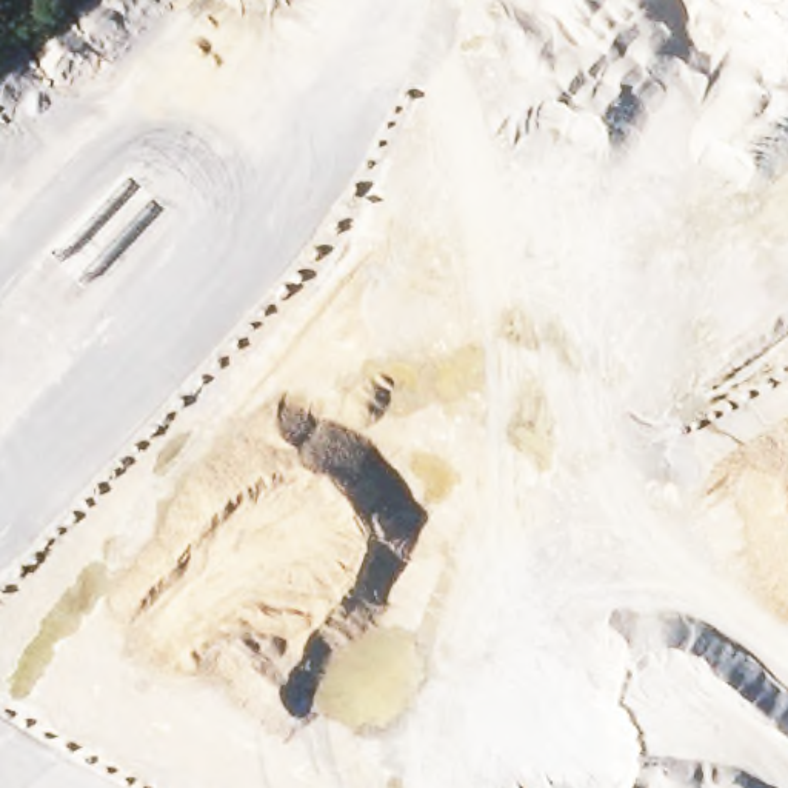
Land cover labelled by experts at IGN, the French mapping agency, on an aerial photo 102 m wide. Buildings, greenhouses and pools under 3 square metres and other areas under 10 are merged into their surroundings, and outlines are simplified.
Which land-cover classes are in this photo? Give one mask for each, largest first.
<instances>
[{"label":"pervious surface","instance_id":"1","mask_svg":"<svg viewBox=\"0 0 788 788\"><path fill-rule=\"evenodd\" d=\"M55 763L62 766L65 779H95L99 788H788V0H99L77 25H71L65 34L46 43L40 62H34L28 74H6L0 80V788H31Z\"/></svg>","mask_w":788,"mask_h":788},{"label":"brushwood","instance_id":"2","mask_svg":"<svg viewBox=\"0 0 788 788\"><path fill-rule=\"evenodd\" d=\"M99 0H0V80L6 74H28L34 62H40L46 43L65 34L71 25H77Z\"/></svg>","mask_w":788,"mask_h":788},{"label":"impervious surface","instance_id":"3","mask_svg":"<svg viewBox=\"0 0 788 788\"><path fill-rule=\"evenodd\" d=\"M31 788H99L95 779H65L62 766L55 763Z\"/></svg>","mask_w":788,"mask_h":788}]
</instances>
